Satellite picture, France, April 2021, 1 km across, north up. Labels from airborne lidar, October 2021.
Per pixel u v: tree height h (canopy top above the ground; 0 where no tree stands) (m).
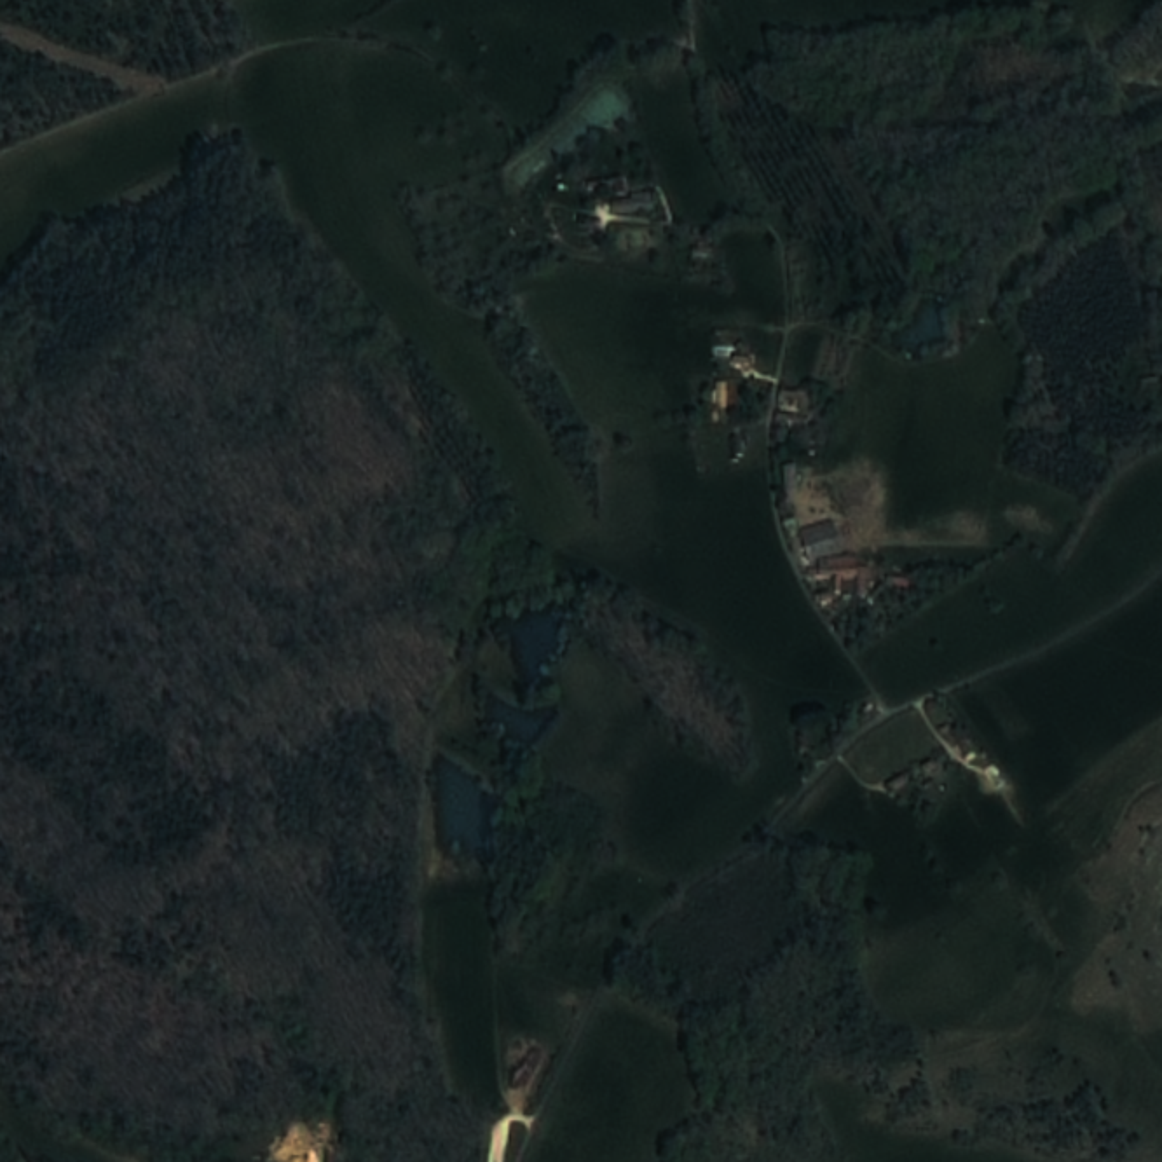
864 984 12
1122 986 9
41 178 0
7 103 14
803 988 23
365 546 28
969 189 29
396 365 19
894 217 23
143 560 19
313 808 29
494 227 14
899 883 0
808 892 21
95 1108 16
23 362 25
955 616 0
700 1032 23
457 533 17
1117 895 0
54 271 25
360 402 30
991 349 0
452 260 11
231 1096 17
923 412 0
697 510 0
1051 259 16
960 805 0
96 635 9
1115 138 23
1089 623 0
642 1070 0
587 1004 0
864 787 0
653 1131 0
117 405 19
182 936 7
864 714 7
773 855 15
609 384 0
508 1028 0
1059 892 0
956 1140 12
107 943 6
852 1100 0
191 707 22
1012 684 0
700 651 18
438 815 0
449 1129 26
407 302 0
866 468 0
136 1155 18
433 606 23
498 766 9
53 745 11
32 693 8
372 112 0
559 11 0
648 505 0
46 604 7
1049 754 0
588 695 0
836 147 16
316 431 32
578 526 0
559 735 0
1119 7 0
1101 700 0
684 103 0
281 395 20
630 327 0
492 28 0
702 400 6
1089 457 12
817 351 0
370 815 27
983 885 0
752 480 0
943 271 14
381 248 0
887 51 20
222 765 18
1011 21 20
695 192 0
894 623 6
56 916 12
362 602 23
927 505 0
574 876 7
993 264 22
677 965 8
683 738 15
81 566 10
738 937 6
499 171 8
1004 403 0
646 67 21
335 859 18
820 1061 19
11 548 9
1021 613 0
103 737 10
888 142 25
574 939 8
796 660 0
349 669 25
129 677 11
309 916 24
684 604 0
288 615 24
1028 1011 0
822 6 0
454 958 0
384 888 28
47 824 14
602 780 0
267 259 29
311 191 0
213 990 11
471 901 0
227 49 11
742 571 0
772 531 0
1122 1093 0
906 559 0
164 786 9
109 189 0
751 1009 24
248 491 20
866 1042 12
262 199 23
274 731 18
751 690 0
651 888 0
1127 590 0
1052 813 0
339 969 20
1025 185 26
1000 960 0
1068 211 0
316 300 24
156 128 0
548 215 0
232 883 16
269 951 17
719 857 0
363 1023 19
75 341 31
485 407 0
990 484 0
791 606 0
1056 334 11
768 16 0
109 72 0
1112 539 0
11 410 22
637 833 0
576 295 0
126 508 23
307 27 0
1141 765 0
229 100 0
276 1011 10
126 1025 14
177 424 20
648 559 0
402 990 19
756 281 0
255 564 18
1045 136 32
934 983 0
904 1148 0
